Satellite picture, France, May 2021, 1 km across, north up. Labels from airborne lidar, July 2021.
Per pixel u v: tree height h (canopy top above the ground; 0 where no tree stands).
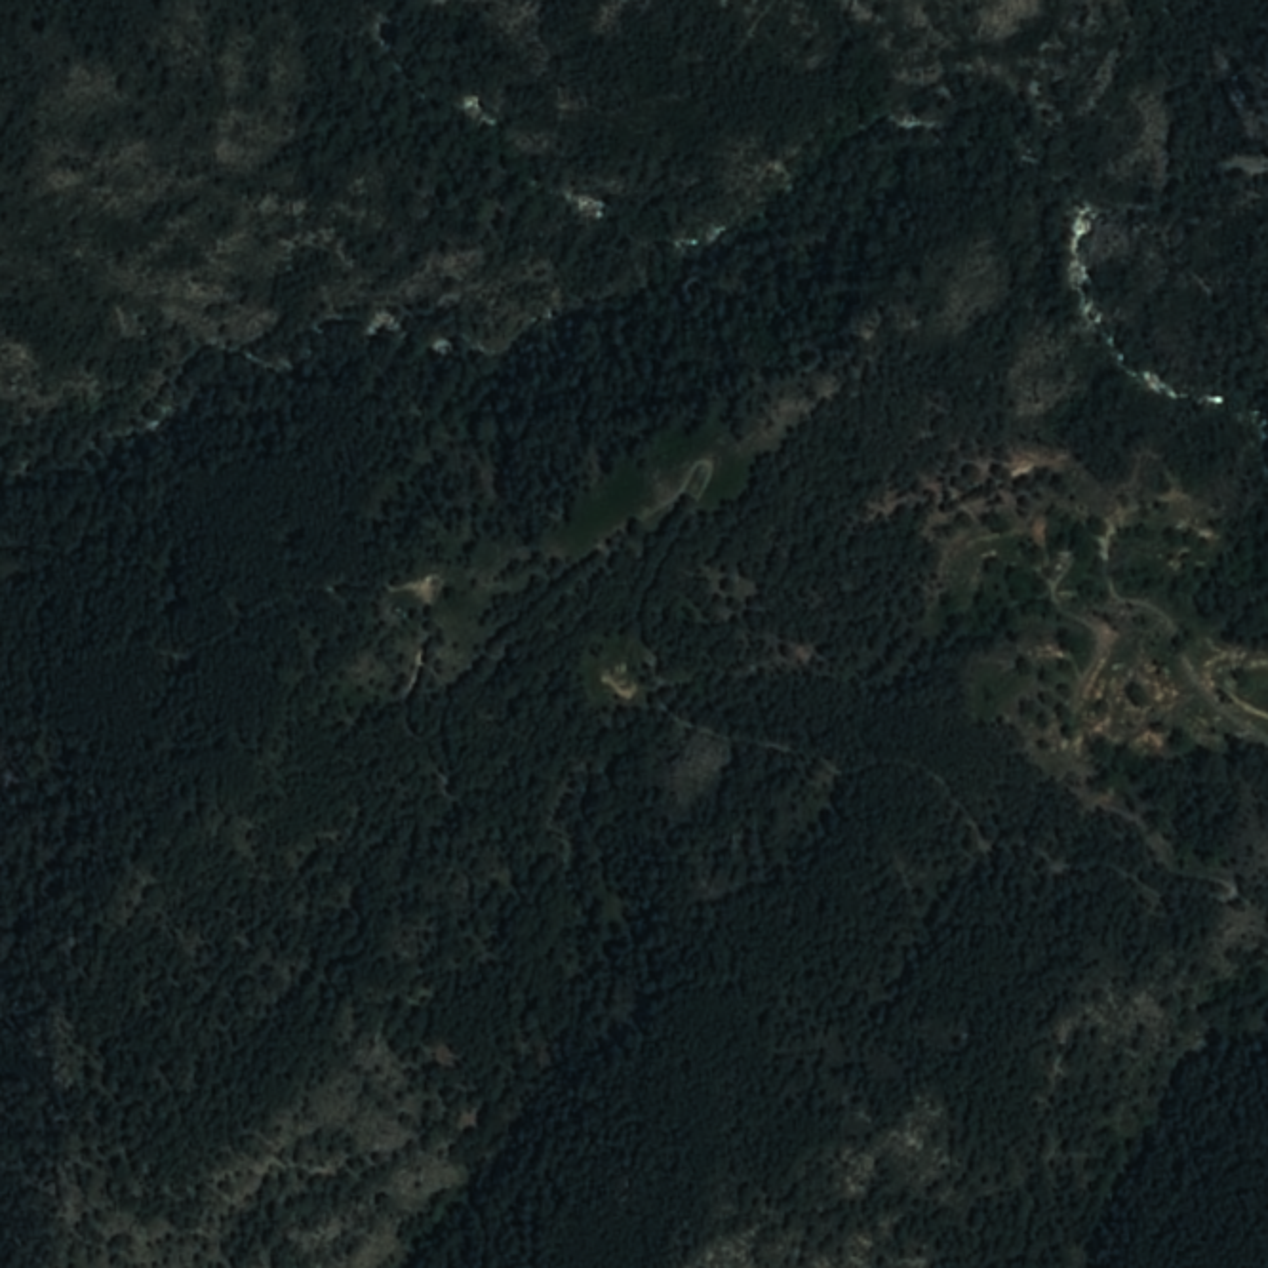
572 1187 24
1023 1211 27
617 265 14
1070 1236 14
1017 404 13
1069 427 21
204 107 15
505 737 23
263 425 25
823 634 23
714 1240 10
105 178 11
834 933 22
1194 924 18
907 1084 9
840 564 24
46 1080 17
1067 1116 16
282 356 20
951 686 23
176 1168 16
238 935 20
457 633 0
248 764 18
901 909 24
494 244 24
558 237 6
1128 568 17
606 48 16
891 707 21
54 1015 9
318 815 13
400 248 24
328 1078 10
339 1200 21
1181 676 0
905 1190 9
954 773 23
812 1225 14
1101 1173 15
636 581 20
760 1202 14
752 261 10
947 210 18
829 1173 13
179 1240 9
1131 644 0
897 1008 22
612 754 15
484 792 25
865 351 18
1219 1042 24
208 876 11
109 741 19
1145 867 21
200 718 20
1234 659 0
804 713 24
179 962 18
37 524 29
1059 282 23
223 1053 12
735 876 16
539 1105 24
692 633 25
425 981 15
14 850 17
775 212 16
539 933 30
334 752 17
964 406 21
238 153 0
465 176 26
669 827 11
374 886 19
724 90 17
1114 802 0
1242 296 16
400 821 21
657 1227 12
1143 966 13
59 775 10
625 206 28
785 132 16
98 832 25
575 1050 21
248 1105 10
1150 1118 10
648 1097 21
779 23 8
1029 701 16
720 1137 13
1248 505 27
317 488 23
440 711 22
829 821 22
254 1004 11
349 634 15
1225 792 22
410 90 18
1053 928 18
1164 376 12
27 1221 9
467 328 30
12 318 13
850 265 11
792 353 22
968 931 20
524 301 12
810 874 22
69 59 11
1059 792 22
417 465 15
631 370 28
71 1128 17
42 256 13
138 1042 24
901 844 9
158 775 21
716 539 27
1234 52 21
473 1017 26
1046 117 14
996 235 7
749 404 10
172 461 20
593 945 20
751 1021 16
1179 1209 18
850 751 25
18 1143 18
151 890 17
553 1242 27
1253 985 17
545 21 11
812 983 18
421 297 15
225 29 7
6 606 26
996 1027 17
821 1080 14
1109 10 18
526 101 12
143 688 21
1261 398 23
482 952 19
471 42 25
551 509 7
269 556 19
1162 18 22
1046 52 6
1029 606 16
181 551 29
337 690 16
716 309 23
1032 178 26
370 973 20
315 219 8
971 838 18
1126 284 13
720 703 23
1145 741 0
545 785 27
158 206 12
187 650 26
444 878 19
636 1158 27
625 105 12
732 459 0
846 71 31
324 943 24
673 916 29
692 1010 20
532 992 30
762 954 21
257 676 23
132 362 18
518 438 24
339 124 20
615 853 17
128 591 25
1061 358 6
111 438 25
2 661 26
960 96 22
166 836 19
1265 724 0
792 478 29
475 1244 26
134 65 11
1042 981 19
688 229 21
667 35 6
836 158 25
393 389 22
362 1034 15
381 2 26
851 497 10
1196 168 10
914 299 17
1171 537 17
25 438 24
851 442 7
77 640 25
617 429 20
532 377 22
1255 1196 20
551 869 21
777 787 16
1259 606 19
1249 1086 23
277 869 17
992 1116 17
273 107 6
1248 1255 19
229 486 19
